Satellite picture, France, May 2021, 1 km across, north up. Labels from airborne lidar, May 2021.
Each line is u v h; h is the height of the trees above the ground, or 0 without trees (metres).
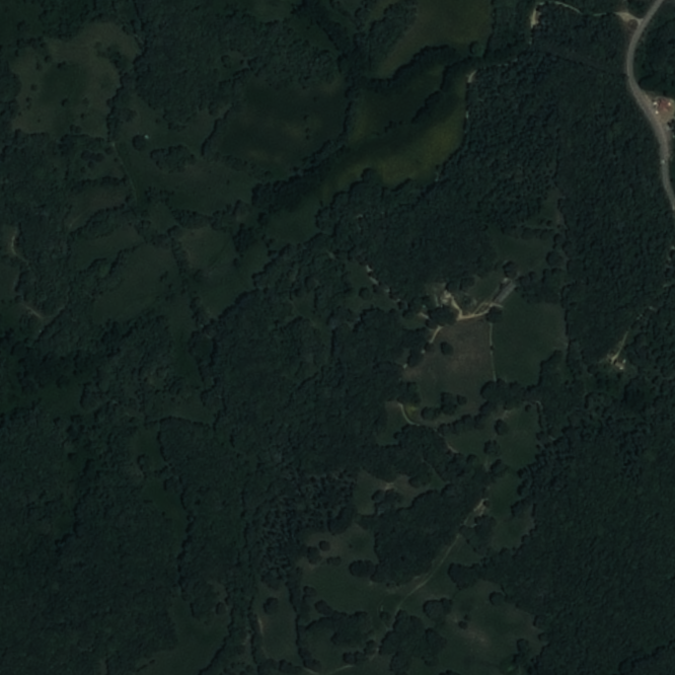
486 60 17
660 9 0
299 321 14
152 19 15
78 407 0
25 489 16
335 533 12
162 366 9
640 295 11
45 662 12
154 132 0
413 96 0
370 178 13
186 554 14
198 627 0
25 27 14
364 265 10
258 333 14
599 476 11
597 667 11
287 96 0
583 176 14
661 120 0
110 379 13
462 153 10
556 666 15
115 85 0
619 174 16
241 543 15
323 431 16
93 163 8
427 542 16
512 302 0
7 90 18
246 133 0
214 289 0
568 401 17
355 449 12
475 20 0
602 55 15
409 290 12
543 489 14
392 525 16
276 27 19
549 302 12
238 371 17
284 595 0
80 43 0
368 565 10
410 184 14
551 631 8
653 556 16
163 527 19
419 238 10
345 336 18
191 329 0
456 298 0
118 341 21
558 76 16
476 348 0
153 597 15
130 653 12
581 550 8
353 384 15
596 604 9
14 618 16
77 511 14
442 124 0
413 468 14
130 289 0
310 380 10
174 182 0
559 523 10
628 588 14
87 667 13
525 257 0
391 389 16
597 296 15
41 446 16
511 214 9
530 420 0
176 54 16
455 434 10
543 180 9
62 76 0
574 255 15
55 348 13
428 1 0
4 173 13
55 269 14
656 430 13
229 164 12
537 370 0
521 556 11
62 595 22
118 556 20
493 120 6
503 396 16
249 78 11
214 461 14
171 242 15
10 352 8
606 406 13
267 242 7
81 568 20
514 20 23
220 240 0
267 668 16
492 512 0
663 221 15
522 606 15
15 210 13
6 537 16
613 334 13
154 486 0
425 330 13
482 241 19
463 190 21
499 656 0
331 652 0
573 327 14
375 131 0
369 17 9
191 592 12
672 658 18
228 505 12
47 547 20
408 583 12
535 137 12
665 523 15
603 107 11
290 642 0
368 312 14
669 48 21
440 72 0
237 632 16
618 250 10
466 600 0
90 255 0
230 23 19
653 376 17
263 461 10
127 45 0
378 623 0
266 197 28
